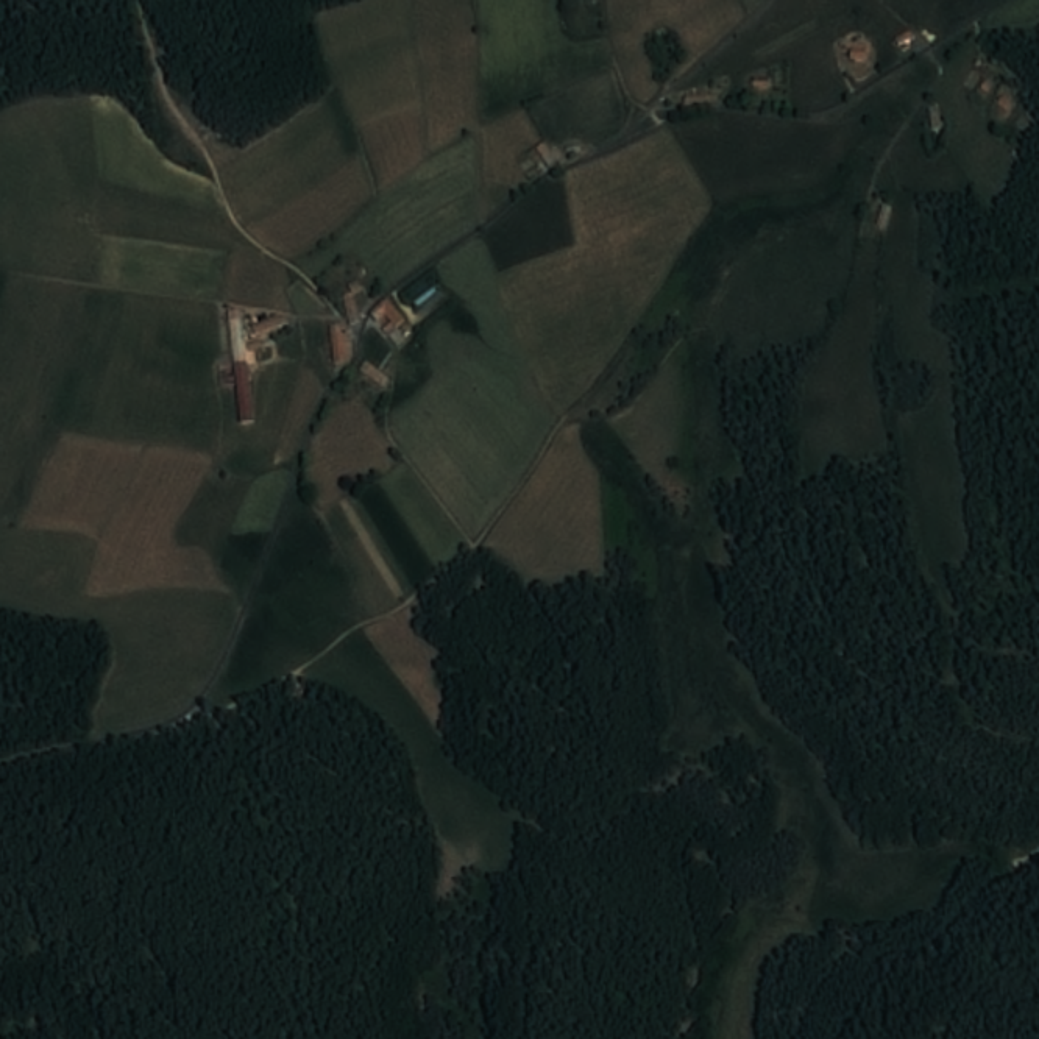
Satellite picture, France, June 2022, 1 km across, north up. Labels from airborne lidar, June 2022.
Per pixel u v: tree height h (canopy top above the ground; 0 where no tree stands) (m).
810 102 0
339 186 0
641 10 0
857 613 26
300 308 0
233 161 0
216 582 0
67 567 0
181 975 26
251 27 23
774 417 13
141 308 0
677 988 21
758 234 0
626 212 0
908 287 0
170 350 0
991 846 7
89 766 25
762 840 19
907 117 0
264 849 17
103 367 0
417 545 0
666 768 20
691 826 18
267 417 0
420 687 0
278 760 20
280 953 7
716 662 0
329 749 21
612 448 0
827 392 0
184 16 20
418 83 0
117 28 22
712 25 0
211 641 0
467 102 0
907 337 0
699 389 0
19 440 0
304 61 18
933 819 17
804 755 0
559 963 21
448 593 17
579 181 0
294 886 22
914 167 0
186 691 0
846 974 20
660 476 0
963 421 14
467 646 16
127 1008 24
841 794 18
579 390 0
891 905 0
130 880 25
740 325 0
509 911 19
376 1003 14
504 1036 26
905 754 19
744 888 18
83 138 0
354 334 0
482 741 17
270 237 0
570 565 0
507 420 0
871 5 0
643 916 21
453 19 0
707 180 0
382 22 0
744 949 0
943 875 0
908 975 19
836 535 26
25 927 25
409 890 20
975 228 18
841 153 0
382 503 0
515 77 0
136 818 22
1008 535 19
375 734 15
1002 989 26
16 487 0
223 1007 25
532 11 0
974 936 25
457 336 0
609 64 0
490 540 0
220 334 0
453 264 0
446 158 0
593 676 30
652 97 0
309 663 0
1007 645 23
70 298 0
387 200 0
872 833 20
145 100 10
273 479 0
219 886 19
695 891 19
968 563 11
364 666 0
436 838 15
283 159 0
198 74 19
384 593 0
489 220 0
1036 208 15
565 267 0
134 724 0
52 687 16
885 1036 18
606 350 0
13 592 0
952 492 0
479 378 0
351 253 0
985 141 0
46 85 10
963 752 14
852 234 0
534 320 0
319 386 0
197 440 0
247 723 24
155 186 0
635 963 21
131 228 0
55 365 0
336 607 0
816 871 0
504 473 0
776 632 15
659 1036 23
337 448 0
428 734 0
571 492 0
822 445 0
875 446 0
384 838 20
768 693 17
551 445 0
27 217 0
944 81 0
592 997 17
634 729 24
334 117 0
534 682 25
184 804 21
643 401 0
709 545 0
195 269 0
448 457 0
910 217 0
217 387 0
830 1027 22
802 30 0
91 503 0
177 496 0
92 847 23
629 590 16
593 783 23
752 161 0
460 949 13
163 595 0
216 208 0
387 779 21
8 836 28
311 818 21
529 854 20
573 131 0
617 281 0
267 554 0
